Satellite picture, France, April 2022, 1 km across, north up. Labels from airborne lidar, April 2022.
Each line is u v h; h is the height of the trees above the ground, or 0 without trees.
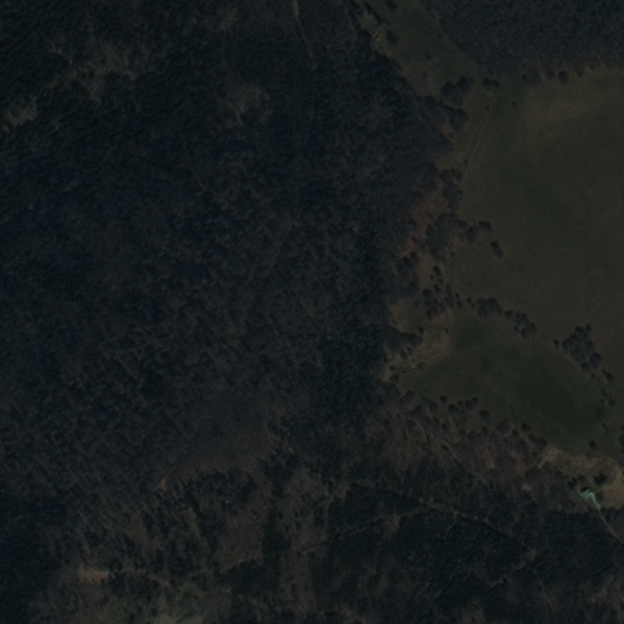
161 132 21
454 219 10
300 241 13
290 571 13
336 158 18
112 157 19
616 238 0
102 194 19
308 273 26
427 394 0
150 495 20
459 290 0
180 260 10
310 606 17
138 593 18
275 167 19
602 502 9
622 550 10
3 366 28
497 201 0
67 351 22
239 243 15
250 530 13
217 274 15
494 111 0
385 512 18
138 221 24
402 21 0
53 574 18
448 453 14
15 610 21
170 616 13
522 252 0
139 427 29
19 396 15
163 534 11
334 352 19
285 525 7
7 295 25
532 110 0
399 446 16
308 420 22
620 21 28
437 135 15
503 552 16
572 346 15
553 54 20
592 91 0
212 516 26
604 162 0
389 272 18
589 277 0
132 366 22
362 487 12
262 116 29
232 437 12
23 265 26
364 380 20
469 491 17
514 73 18
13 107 16
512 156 0
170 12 20
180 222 32
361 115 20
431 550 14
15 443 25
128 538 13
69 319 21
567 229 0
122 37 31
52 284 25
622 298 0
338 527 10
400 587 18
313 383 24
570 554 16
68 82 8
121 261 18
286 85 18
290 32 15
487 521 8
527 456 13
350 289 25
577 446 0
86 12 21
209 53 24
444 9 22
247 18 19
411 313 0
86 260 22
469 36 23
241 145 16
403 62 0
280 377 23
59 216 28
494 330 0
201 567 24
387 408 15
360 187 22
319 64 13
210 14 19
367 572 12
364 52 18
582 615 17
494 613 15
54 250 23
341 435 15
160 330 19
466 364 0
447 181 14
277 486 16
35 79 22
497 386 0
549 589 16
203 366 10
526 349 0
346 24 20
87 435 34
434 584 16
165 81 24
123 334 12
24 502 15
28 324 22
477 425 0
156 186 23
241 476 22
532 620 19
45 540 16
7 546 17
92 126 25
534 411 0
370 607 21
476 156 0
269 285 25
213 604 15
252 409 12
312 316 16
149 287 35
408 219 13
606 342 0
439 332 0
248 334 9
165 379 16
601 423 0
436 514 14
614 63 21
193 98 28
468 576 13
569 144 0
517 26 28
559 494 17
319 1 17
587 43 18
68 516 18
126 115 18
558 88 0
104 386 29
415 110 17
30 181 22
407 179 17
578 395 0
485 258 0
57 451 29
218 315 8
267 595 16
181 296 33
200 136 19
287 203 17
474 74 0
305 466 13
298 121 17
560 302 0
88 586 18
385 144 21
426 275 0
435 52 0
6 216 21
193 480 11
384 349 18
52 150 19
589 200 0
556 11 28
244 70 20
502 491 16
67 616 29
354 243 21
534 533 17
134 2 25
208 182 30
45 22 25
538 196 0
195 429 14
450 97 14
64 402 42
